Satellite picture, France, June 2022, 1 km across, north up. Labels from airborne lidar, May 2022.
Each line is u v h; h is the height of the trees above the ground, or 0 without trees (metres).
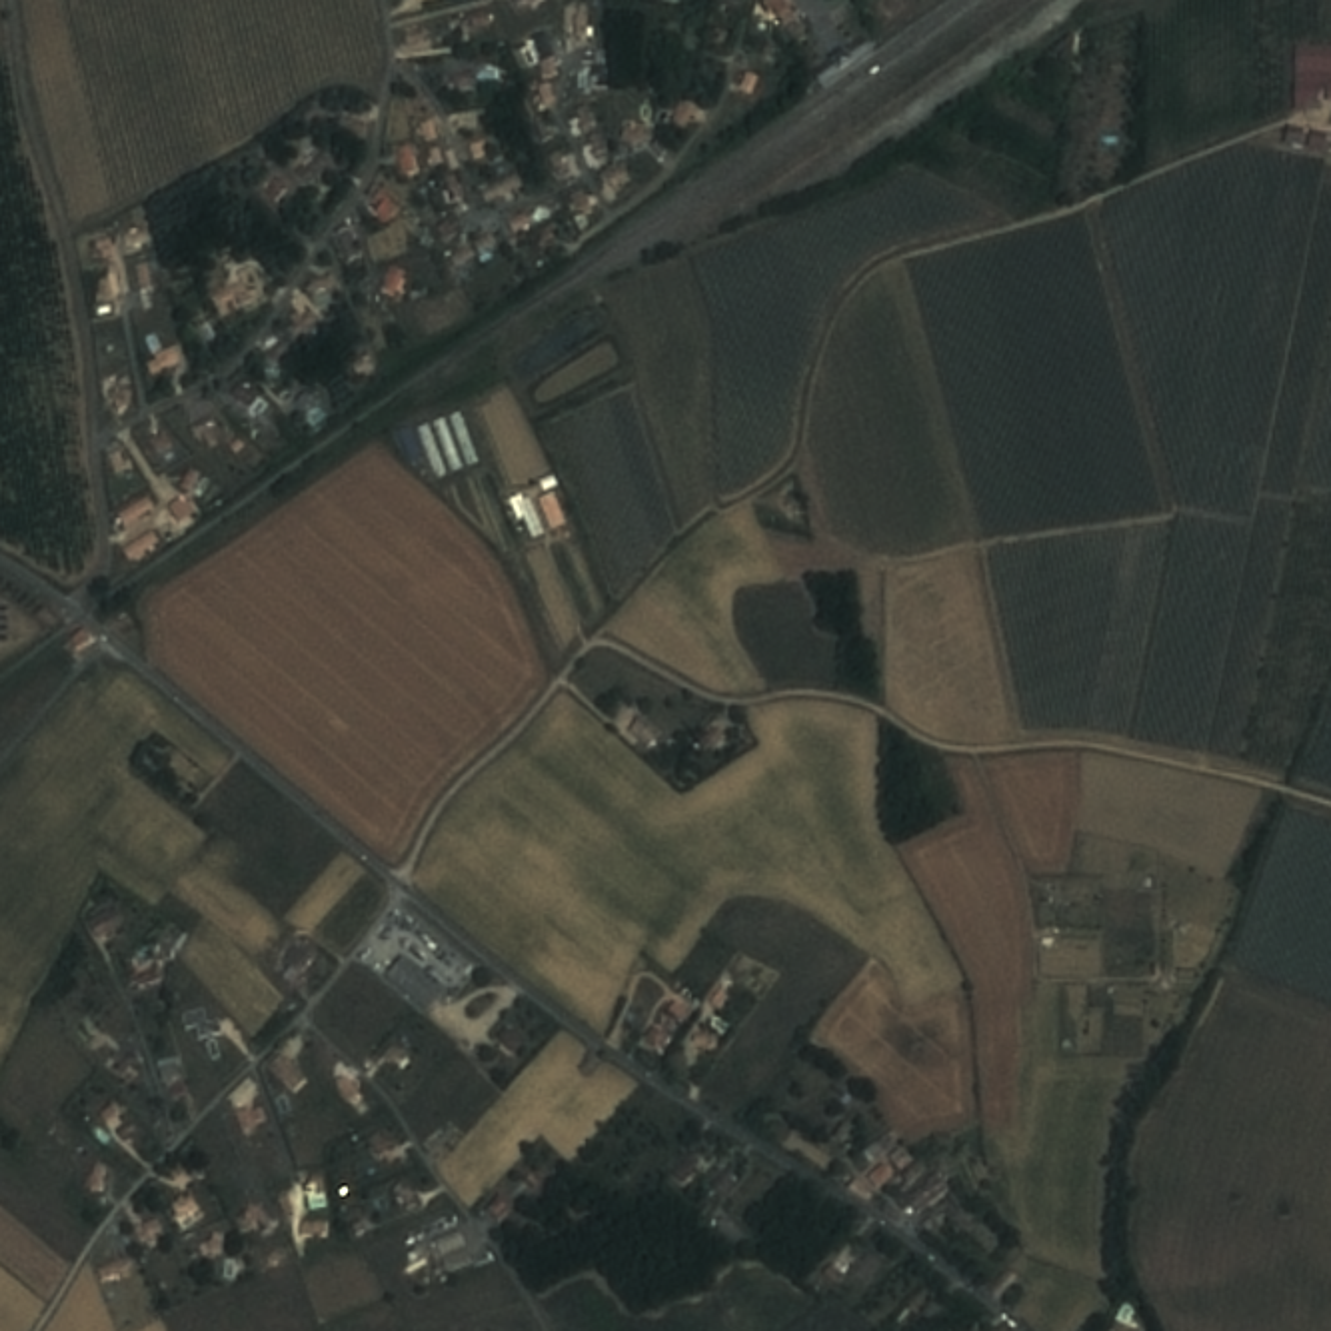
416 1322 0
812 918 0
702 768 8
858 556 0
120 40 0
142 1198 9
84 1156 0
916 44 0
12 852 0
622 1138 12
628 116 0
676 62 7
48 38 0
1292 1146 0
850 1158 9
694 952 0
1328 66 0
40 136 0
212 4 0
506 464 0
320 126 16
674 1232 18
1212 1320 0
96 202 0
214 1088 0
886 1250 17
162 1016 6
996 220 0
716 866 0
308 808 0
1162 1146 0
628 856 0
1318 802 0
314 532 0
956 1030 0
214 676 0
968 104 11
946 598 0
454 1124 0
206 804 0
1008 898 0
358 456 0
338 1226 10
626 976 0
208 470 0
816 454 0
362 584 0
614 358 0
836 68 0
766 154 0
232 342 12
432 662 0
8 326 7
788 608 0
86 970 6
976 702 0
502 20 0
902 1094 0
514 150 7
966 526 0
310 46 0
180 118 0
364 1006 0
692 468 0
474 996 0
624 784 0
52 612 0
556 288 0
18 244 6
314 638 0
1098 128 0
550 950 0
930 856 0
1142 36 10
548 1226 13
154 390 8
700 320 0
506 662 0
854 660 10
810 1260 12
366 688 0
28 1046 0
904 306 0
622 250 0
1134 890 0
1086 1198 0
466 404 0
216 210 12
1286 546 9
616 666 0
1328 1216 0
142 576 0
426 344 0
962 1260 12
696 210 0
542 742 0
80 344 0
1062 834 0
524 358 0
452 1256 0
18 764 0
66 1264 0
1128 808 0
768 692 0
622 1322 0
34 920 0
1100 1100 0
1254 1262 0
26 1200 0
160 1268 0
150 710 0
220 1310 0
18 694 0
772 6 0
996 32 0
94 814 0
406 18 0
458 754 0
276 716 0
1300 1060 0
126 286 0
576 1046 0
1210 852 0
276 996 0
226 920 0
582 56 0
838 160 0
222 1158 0
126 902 7
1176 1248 0
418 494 0
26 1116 0
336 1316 0
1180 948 0
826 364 0
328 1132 0
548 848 0
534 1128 0
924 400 0
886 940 0
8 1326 0
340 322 13
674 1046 9
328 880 0
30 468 7
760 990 0
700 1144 9
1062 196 10
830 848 0
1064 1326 0
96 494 0
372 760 0
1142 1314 12
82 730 0
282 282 9
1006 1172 0
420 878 0
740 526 0
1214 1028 0
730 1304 0
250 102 0
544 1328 0
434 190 6
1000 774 0
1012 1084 0
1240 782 0
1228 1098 0
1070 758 0
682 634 0
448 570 0
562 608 0
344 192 11
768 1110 14
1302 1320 0
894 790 15
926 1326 14
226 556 0
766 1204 11
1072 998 0
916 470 0
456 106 6
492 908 0
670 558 0
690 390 0
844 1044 0
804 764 0
